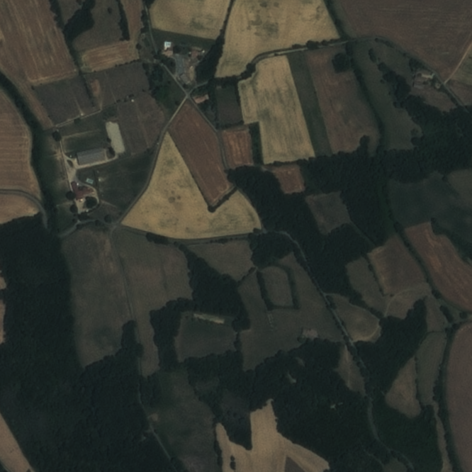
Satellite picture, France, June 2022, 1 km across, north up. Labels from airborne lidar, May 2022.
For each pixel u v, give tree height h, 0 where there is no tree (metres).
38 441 8
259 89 0
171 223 0
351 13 0
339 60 14
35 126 12
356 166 16
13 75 0
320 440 6
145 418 16
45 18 0
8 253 16
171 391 0
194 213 0
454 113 15
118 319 0
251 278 0
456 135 6
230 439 11
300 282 0
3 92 0
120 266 0
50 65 0
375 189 13
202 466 0
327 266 19
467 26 0
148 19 10
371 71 0
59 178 0
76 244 0
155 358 0
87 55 0
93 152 0
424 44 0
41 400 10
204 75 12
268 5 0
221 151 0
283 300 0
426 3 0
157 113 0
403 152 16
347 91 0
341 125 0
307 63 0
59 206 0
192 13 0
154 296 0
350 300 8
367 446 8
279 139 0
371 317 0
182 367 7
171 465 10
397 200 0
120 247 0
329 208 0
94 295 0
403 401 0
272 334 0
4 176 0
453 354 0
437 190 0
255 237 13
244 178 12
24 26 0
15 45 0
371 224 21
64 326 17
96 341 0
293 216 16
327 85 0
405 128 0
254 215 0
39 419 8
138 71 0
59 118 0
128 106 0
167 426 0
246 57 0
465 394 0
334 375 17
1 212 0
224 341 0
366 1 0
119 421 24
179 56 0
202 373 7
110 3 0
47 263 13
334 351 16
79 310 0
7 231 14
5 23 0
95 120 0
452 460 6
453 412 0
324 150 0
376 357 15
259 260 14
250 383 10
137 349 15
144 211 0
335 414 8
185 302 15
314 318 0
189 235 0
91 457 18
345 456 23
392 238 0
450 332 6
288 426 13
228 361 12
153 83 11
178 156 0
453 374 0
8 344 16
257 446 0
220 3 0
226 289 20
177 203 0
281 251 19
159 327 18
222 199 8
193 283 15
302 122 0
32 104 0
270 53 0
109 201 0
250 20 0
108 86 0
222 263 0
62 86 0
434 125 7
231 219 0
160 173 0
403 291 0
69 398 7
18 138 0
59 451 10
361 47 0
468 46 0
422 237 0
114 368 21
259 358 0
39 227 17
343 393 17
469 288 0
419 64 7
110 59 0
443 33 0
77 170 0
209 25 0
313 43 15
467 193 0
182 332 0
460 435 0
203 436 0
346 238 19
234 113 0
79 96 0
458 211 0
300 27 0
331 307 10
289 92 0
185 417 0
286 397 18
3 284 0
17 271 11
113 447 19
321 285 14
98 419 27
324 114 0
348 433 10
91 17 18
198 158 0
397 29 0
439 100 0
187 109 0
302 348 16
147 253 0
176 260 0
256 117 0
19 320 22
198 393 7
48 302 17
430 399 0
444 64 0
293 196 13
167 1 0
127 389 11
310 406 19
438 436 7
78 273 0
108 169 0
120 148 0
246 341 0
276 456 0
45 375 8
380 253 0
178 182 0
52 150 0
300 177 0
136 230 0
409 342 11
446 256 0
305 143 0
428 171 15
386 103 0
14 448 0
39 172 8
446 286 0
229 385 10
